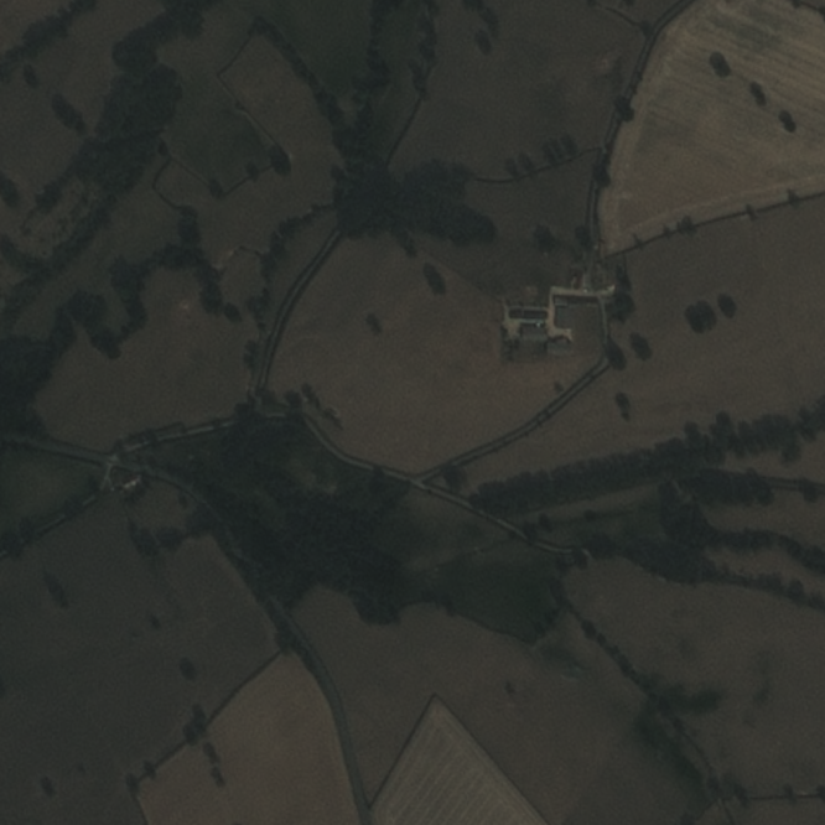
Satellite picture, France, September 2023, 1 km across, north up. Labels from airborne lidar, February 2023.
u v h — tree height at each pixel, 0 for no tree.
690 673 0
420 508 0
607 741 0
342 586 13
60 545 0
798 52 0
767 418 0
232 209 0
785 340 0
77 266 0
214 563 0
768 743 0
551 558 0
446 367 0
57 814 0
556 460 0
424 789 0
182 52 0
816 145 0
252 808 0
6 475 0
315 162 0
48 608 0
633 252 0
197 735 12
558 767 0
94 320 19
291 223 12
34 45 21
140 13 0
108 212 12
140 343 0
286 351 0
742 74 0
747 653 0
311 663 15
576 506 0
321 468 0
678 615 0
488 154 0
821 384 0
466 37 0
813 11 0
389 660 0
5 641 0
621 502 0
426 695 0
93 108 0
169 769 0
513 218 0
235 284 0
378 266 0
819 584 0
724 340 0
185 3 21
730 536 7
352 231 17
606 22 0
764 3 0
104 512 0
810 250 0
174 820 0
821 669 0
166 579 0
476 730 0
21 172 0
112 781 0
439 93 0
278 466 0
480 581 0
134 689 0
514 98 0
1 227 0
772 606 0
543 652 0
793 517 0
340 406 0
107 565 0
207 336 0
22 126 0
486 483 0
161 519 0
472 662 0
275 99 0
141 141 18
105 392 0
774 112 0
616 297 11
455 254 0
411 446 0
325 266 0
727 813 0
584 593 0
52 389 0
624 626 0
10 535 0
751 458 0
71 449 0
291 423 8
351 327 0
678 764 0
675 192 0
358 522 13
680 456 22
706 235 0
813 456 0
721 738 0
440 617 0
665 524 17
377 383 0
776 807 0
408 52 0
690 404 0
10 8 0
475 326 0
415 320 0
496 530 0
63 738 0
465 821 0
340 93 0
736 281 0
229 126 0
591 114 0
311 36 0
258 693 0
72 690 0
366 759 0
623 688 0
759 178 0
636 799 0
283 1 0
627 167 0
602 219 0
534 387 0
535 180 0
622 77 0
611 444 0
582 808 0
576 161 0
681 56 0
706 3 0
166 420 0
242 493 0
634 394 0
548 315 0
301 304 0
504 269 0
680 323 0
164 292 0
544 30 0
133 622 0
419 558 0
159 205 0
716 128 0
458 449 0
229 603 0
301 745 0
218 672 0
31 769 0
